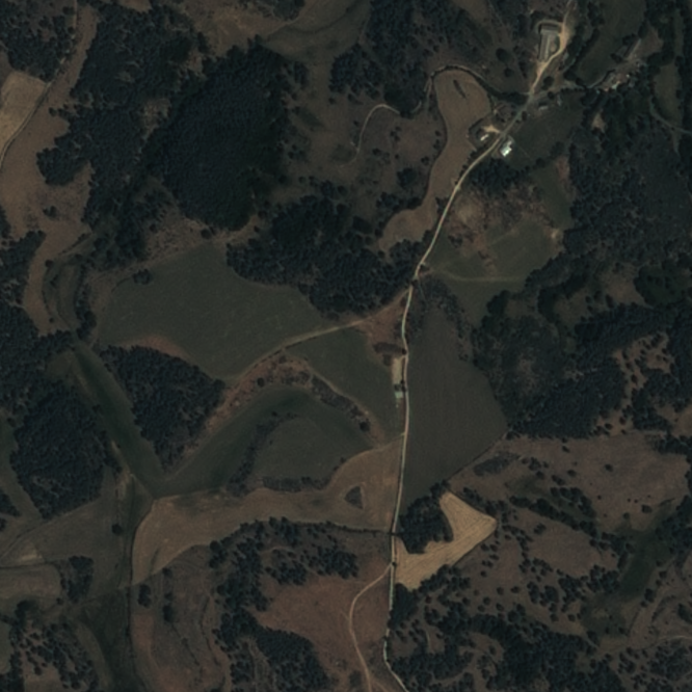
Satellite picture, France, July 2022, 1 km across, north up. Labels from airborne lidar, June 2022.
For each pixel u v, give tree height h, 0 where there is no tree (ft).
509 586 0
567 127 0
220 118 72
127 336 0
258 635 49
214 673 0
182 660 0
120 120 73
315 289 54
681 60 64
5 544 0
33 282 0
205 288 0
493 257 0
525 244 0
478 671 0
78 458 36
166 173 63
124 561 0
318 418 0
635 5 0
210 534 0
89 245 0
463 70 19
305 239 52
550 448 0
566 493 69
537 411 47
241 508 0
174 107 26
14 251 61
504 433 0
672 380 46
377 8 52
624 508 0
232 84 61
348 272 60
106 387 0
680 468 0
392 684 0
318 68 0
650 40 0
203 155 57
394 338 0
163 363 57
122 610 0
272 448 0
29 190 0
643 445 0
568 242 50
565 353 27
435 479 0
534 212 0
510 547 0
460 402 0
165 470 0
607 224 42
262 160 60
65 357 0
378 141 0
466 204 0
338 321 0
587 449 0
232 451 0
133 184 41
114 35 52
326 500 0
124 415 0
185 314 0
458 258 0
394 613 46
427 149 0
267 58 66
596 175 54
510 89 0
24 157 0
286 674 40
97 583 0
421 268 20
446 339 0
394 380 0
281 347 0
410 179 46
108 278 0
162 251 0
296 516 0
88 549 0
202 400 47
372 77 41
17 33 44
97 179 58
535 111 0
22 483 46
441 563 0
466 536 0
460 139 0
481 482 0
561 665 58
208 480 0
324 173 0
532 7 0
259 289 0
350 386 0
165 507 0
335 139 0
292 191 0
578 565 0
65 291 0
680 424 0
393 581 0
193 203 50
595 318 23
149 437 48
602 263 21
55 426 38
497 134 0
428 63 0
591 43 42
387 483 0
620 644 0
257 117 60
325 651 0
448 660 38
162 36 48
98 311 0
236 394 0
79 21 0
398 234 0
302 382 0
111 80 60
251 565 48
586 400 64
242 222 56
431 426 0
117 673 0
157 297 0
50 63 48
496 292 0
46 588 0
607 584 50
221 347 0
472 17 0
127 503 0
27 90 0
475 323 0
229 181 52
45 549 0
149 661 0
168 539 0
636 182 45
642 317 75
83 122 62
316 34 0
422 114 0
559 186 0
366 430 33
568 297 35
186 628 0
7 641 0
